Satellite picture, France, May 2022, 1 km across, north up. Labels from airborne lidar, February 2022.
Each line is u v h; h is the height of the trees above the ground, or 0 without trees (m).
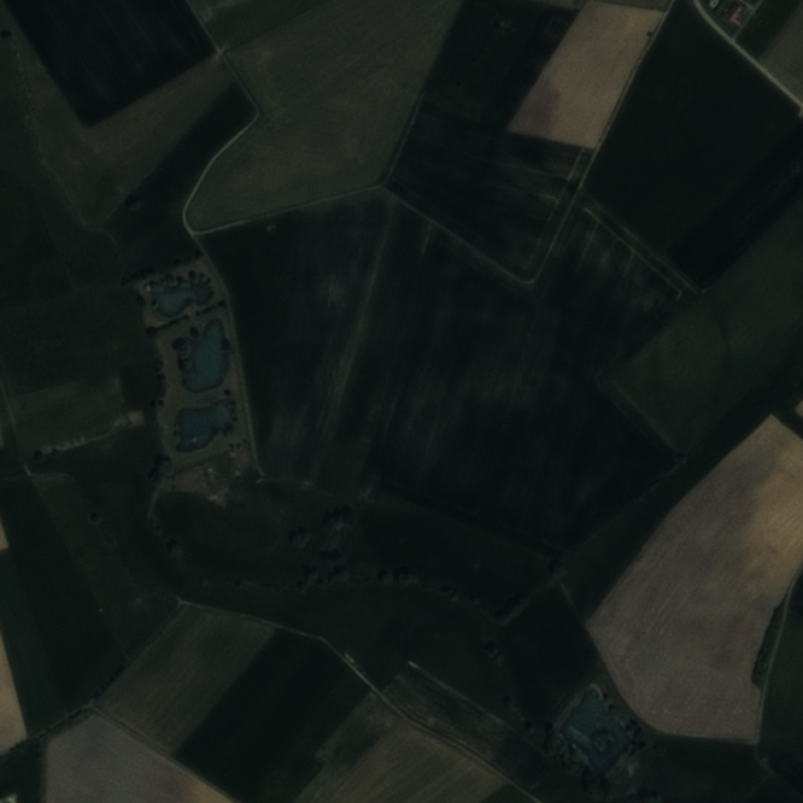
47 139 0
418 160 0
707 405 0
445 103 0
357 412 0
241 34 0
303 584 9
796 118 0
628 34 0
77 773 0
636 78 0
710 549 0
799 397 0
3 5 0
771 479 0
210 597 0
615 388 0
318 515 0
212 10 0
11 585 0
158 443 0
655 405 0
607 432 0
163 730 0
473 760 0
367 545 0
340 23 0
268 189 0
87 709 0
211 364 0
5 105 0
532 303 0
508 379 0
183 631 0
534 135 0
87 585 0
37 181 0
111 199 0
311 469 0
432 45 0
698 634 0
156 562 0
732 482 0
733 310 0
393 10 0
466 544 0
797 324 0
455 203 0
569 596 0
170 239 0
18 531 0
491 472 0
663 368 0
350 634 0
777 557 0
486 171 0
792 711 0
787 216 0
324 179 0
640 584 0
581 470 0
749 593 0
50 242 0
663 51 0
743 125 0
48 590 0
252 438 0
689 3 0
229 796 0
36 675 0
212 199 0
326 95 0
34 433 0
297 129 0
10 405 0
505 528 0
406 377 0
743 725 0
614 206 0
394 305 0
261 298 0
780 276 0
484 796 0
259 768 0
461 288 0
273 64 0
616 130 0
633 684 0
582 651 0
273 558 0
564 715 0
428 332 0
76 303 0
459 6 0
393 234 0
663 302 0
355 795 0
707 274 0
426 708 0
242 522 0
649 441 0
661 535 0
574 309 0
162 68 0
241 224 0
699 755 0
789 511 0
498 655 12
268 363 0
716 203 0
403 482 0
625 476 0
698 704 0
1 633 0
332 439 0
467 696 0
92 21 0
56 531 0
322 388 0
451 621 0
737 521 0
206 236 0
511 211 0
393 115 0
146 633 0
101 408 0
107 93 0
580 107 0
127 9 0
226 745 0
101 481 0
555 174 0
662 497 0
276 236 0
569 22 0
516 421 0
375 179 0
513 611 15
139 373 0
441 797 0
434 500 0
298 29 0
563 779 0
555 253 0
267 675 0
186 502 0
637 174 0
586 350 0
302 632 0
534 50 0
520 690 0
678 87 0
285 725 0
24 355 0
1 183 0
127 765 0
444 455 0
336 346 0
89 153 0
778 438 0
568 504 0
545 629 0
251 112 0
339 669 0
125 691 0
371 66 0
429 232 0
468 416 0
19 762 0
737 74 0
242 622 0
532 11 0
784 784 0
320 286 0
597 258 0
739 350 0
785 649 0
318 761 0
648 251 0
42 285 0
